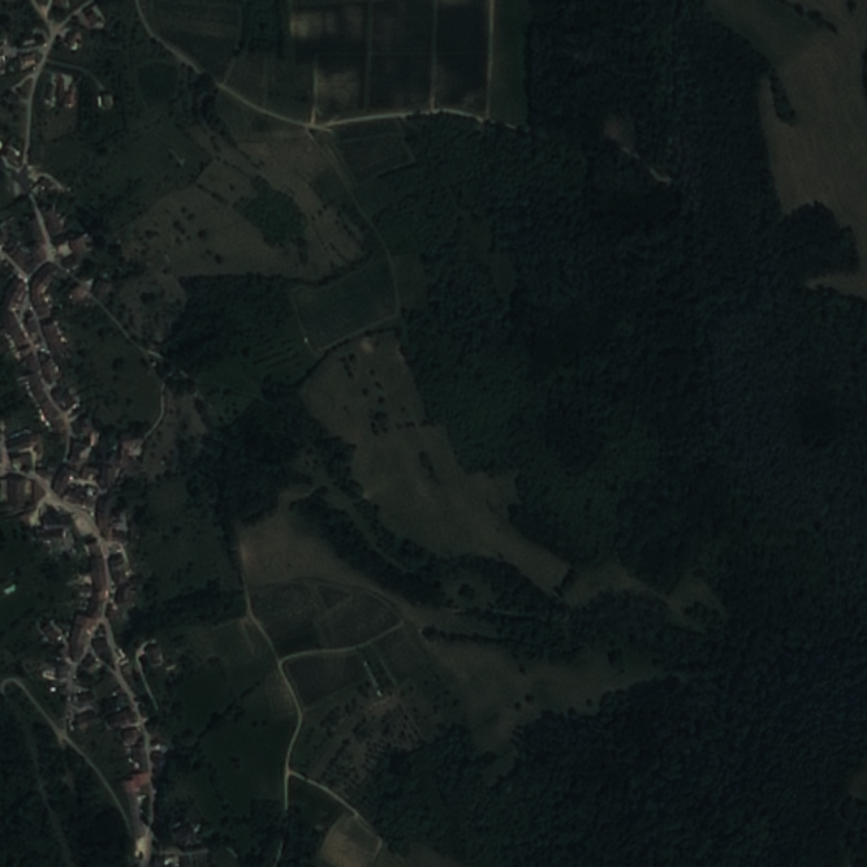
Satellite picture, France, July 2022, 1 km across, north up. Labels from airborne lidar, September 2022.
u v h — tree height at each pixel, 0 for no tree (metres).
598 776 32
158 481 9
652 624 32
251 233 0
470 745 19
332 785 11
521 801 7
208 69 0
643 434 9
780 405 22
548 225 33
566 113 20
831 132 0
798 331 13
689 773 32
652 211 11
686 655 19
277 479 22
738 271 18
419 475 0
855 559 23
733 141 16
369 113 0
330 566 0
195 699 0
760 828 26
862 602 30
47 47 0
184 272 0
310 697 0
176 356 12
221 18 0
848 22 0
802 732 32
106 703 7
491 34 0
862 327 12
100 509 0
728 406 29
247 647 0
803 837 23
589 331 14
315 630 0
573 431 21
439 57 0
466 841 7
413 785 11
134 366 0
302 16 0
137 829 0
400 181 6
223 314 6
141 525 10
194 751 7
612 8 12
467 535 0
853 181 0
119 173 0
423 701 0
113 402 6
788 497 24
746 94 18
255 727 7
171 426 12
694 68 16
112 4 9
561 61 19
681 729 32
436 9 0
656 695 22
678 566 16
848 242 17
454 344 8
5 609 0
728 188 14
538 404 10
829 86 0
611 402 15
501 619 7
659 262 22
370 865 0
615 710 11
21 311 0
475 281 9
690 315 17
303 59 0
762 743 26
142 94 0
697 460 8
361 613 0
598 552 13
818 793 23
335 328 0
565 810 14
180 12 0
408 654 0
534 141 13
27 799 16
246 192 0
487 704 0
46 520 0
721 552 7
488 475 8
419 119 8
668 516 21
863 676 19
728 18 0
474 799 10
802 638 28
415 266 0
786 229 17
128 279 6
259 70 0
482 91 0
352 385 0
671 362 21
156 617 9
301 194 0
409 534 0
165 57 6
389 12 0
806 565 21
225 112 0
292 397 16
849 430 13
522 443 13
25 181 0
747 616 24
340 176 0
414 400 0
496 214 15
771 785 28
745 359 36
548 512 15
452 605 7
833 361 20
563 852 14
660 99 9
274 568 0
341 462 17
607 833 26
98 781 16
